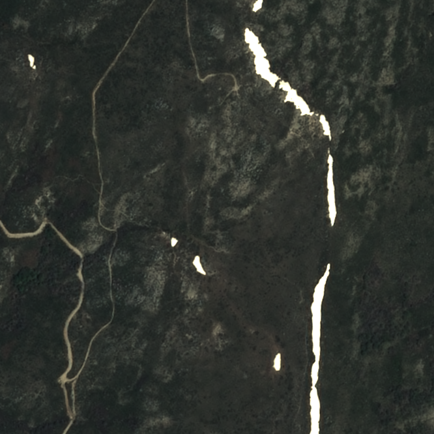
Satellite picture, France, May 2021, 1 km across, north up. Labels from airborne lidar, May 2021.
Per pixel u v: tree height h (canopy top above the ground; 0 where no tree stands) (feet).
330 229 0
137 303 0
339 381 0
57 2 0
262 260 0
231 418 0
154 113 0
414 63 0
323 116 0
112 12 0
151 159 0
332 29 0
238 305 0
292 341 0
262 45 0
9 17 0
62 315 0
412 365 0
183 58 0
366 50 0
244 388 0
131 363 0
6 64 0
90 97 0
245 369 0
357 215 0
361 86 0
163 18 0
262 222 0
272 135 0
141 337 0
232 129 0
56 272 40
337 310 0
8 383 0
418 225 0
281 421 0
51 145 0
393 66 0
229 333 0
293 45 0
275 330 0
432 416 0
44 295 0
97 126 0
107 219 0
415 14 0
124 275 0
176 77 0
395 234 0
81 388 0
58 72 0
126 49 0
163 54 0
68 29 0
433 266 0
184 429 0
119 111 0
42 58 0
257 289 0
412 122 0
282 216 0
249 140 0
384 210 0
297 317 0
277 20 0
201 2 0
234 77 0
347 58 0
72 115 0
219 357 0
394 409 0
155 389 0
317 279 0
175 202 0
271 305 0
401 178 0
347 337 0
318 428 0
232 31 0
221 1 0
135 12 0
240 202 0
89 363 0
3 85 0
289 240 0
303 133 0
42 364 0
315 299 0
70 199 0
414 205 0
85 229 0
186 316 0
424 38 0
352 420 0
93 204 0
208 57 0
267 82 0
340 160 0
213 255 0
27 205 0
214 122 0
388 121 0
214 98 0
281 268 0
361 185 0
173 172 0
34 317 0
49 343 0
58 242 0
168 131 0
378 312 39
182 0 0
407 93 0
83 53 0
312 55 0
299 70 0
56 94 0
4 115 0
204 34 0
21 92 0
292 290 0
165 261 0
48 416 0
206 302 0
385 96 0
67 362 0
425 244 0
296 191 0
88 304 0
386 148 0
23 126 0
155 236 0
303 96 0
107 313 0
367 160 0
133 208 0
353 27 0
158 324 0
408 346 27
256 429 0
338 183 0
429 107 0
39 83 0
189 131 0
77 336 0
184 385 0
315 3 0
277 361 0
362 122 0
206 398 0
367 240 0
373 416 0
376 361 0
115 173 0
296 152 0
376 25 0
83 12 0
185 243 0
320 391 0
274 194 0
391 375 0
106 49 0
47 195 0
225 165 0
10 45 0
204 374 0
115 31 0
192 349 0
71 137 0
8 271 0
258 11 0
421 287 0
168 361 0
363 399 0
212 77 0
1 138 0
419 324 0
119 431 0
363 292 30
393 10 0
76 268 27
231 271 0
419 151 0
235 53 0
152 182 0
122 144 0
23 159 0
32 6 0
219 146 0
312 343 0
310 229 0
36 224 0
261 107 0
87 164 0
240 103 0
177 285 0
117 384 0
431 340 0
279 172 0
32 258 0
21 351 0
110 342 0
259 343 0
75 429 0
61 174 0
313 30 0
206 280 0
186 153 0
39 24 0
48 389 0
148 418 0
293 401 0
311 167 0
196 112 0
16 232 0
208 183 0
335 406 0
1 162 0
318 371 0
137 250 0
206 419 0
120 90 0
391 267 0
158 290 0
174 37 0
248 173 0
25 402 0
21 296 30
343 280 0
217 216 0
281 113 0
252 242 0
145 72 0
